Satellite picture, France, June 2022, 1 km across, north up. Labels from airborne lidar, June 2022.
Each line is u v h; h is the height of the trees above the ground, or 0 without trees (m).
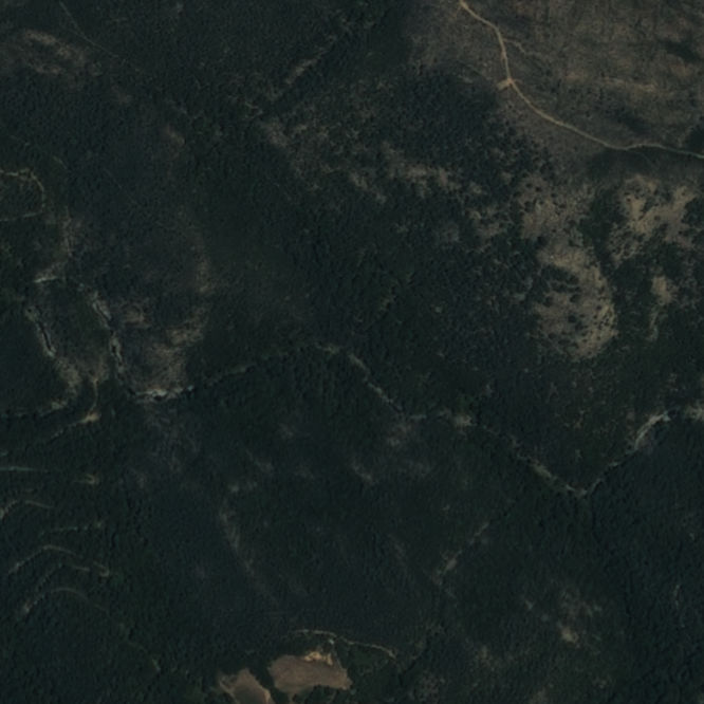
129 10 10
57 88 7
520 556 9
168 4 10
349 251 14
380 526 7
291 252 12
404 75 8
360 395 7
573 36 0
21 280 15
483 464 7
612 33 0
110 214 7
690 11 0
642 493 8
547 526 20
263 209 17
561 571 10
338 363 9
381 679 12
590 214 7
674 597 8
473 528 7
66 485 12
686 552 11
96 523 10
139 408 6
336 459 5
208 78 11
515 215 11
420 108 8
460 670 7
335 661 0
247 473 8
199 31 8
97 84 8
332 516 8
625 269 9
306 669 0
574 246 7
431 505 6
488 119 10
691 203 13
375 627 8
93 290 10
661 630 15
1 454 12
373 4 14
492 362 11
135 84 8
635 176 0
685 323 13
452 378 18
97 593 12
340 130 11
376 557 9
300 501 8
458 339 10
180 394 8
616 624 10
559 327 0
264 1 8
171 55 14
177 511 8
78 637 6
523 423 15
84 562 8
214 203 9
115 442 9
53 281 11
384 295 17
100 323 5
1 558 12
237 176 11
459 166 10
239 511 6
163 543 6
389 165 8
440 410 16
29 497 9
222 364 13
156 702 8
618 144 0
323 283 11
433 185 12
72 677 6
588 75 0
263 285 9
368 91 8
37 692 10
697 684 13
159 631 8
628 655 11
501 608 8
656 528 11
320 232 17
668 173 0
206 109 12
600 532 9
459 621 6
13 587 7
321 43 14
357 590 8
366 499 8
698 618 11
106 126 12
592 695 12
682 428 10
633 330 11
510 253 15
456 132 7
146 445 11
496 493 7
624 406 6
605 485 16
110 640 9
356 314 12
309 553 14
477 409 11
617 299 6
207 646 8
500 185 11
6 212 7
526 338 12
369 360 15
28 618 7
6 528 14
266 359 12
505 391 14
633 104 0
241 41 9
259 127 8
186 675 7
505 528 12
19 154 10
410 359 15
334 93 8
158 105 7
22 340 9
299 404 10
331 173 8
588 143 0
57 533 11
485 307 10
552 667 6
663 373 11
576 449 10
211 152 11
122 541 12
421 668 12
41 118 8
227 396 15
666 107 0
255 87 8
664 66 0
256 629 7
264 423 13
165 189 8
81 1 7
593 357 7
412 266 15
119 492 13
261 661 11
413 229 14
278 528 6
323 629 8
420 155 9
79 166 10
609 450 15
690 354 14
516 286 10
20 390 8
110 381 11
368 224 13
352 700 11
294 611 7
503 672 7
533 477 19
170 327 8
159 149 6
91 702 6
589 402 6
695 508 9
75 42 8
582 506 17
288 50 12
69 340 10
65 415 8
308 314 6
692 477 9
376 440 9
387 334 17
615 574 21
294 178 7
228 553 5
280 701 13
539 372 10
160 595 8
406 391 16
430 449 6
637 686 15
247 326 8
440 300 14
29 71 9
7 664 9
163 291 6
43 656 7
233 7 10
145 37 8
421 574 7
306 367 16
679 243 9
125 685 10
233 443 6
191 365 11
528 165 8
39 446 12
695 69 0
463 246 11
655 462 6
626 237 7
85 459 10
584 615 6
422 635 12
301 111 11
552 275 8
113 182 6
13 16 6
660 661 13
